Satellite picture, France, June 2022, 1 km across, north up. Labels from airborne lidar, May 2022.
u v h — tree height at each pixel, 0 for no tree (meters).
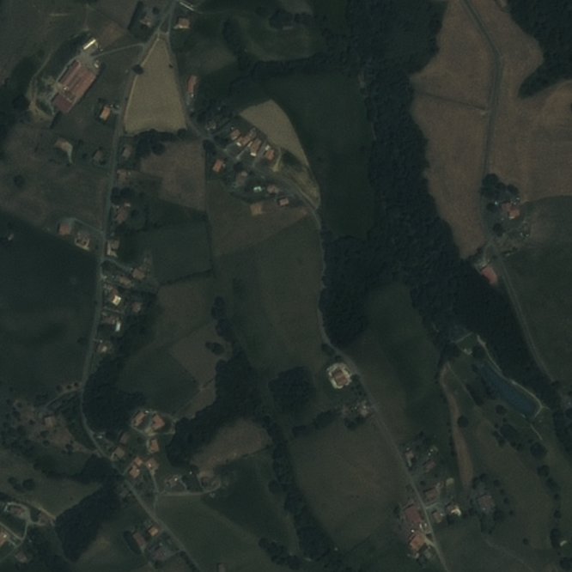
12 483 14
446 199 0
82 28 0
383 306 0
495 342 24
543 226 0
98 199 0
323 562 25
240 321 0
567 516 0
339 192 0
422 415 0
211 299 0
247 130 0
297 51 0
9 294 0
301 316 0
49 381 0
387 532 0
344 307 17
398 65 6
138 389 0
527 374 16
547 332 0
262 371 0
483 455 0
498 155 0
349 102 0
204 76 0
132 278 10
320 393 0
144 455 0
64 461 0
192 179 0
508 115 0
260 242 0
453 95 0
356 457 0
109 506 16
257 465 0
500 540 0
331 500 0
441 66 0
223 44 0
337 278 24
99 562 0
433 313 22
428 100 0
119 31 0
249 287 0
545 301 0
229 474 0
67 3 0
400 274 26
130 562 0
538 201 0
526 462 0
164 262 0
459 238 0
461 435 0
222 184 0
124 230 9
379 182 18
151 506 0
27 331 0
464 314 25
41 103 0
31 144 0
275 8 0
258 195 0
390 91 24
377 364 0
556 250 0
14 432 13
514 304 0
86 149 0
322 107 0
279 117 0
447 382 0
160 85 0
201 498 0
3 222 0
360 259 21
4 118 19
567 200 0
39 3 0
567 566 17
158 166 0
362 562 0
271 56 0
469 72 0
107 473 18
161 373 0
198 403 0
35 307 0
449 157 0
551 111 0
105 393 25
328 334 11
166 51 0
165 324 0
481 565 0
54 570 19
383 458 0
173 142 7
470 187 0
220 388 15
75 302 0
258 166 0
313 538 24
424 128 0
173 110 0
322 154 0
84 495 0
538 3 10
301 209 0
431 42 7
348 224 0
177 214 0
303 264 0
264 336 0
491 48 0
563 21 19
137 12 9
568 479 0
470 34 0
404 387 0
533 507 0
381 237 16
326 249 19
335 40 14
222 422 21
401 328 0
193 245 0
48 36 0
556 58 13
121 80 0
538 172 0
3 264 0
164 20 0
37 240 0
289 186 0
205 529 0
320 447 0
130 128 0
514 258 0
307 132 0
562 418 18
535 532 0
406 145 22
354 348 0
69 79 0
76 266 0
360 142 0
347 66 13
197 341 0
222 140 10
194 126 0
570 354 0
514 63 0
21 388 0
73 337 0
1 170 0
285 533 0
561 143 0
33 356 0
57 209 0
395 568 0
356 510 0
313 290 0
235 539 0
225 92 0
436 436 0
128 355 9
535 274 0
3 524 0
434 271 29
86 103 0
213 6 0
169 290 0
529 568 0
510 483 0
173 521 0
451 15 0
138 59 0
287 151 0
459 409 0
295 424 0
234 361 11
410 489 0
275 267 0
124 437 0
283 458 29
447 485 0
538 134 0
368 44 16
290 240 0
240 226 0
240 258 0
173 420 0
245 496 0
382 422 0
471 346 0
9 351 0
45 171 0
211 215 0
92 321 0
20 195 0
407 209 28
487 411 0
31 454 6
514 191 21
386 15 13
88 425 8
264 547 20
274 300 0
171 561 0
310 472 0
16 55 0
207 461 0
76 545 23
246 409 18
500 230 15
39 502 0
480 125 0
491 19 0
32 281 0
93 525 20
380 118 19
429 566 0
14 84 14
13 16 0
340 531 0
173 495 0
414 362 0
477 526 0
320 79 0
